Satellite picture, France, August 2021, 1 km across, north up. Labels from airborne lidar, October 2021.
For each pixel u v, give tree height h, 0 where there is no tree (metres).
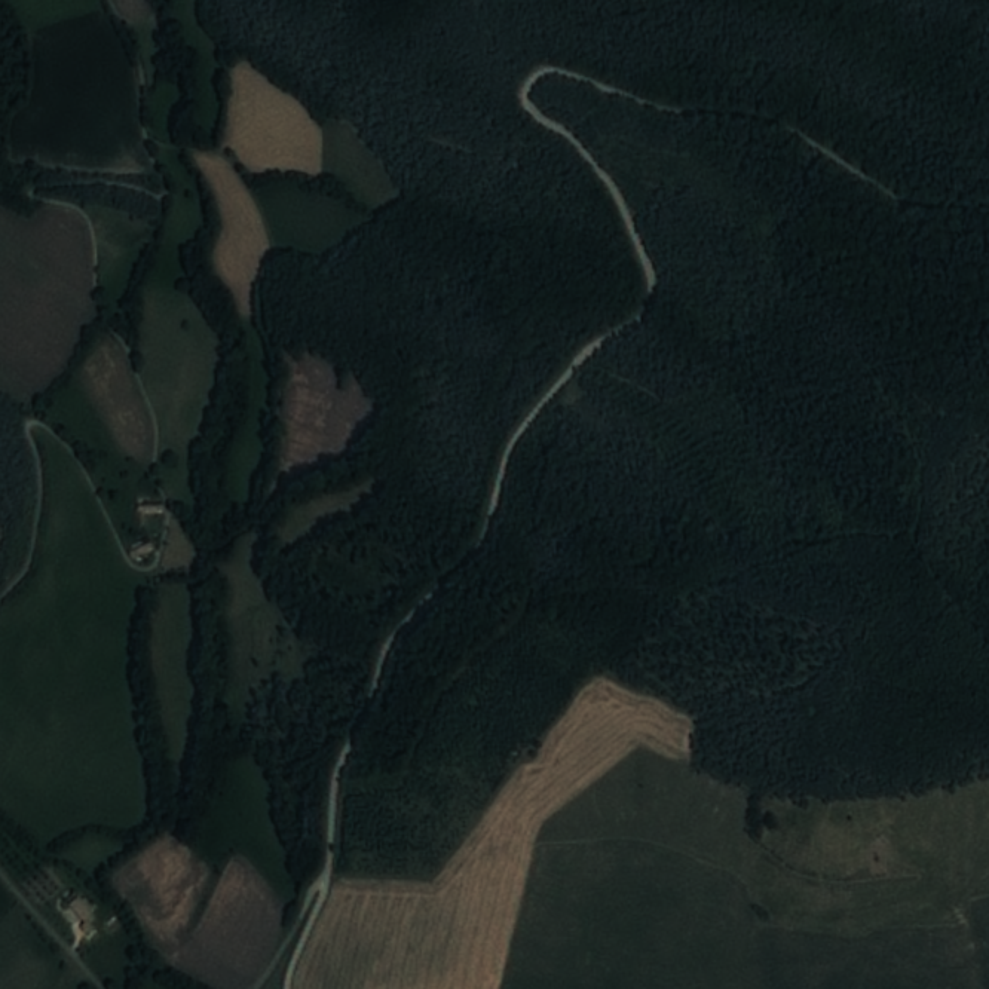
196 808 29
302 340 17
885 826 0
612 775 0
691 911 0
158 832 20
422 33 13
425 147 13
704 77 25
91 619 0
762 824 10
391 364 17
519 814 0
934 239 28
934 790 10
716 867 0
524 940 0
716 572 6
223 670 9
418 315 12
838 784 12
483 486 6
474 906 0
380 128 10
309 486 29
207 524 27
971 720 8
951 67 21
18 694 0
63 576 0
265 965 0
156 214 11
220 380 16
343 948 0
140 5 0
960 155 20
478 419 13
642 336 13
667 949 0
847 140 24
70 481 0
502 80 13
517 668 6
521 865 0
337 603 20
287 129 0
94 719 0
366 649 20
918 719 9
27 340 0
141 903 0
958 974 0
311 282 16
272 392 13
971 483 15
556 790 0
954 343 22
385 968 0
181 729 0
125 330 13
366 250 16
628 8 16
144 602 20
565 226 16
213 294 23
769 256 9
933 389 17
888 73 14
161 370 0
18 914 0
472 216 9
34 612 0
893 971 0
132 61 11
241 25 7
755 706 11
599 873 0
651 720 0
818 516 10
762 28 20
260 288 10
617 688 0
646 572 16
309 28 10
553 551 12
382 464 18
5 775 0
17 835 7
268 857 0
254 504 13
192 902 0
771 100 22
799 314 15
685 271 9
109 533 0
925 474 8
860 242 27
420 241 16
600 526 20
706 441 9
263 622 0
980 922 0
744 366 19
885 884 0
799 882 0
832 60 16
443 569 21
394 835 8
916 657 10
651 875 0
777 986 0
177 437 0
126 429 0
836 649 12
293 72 10
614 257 14
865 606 16
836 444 26
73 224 0
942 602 11
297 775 14
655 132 13
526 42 15
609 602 8
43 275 0
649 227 10
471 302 15
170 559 0
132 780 0
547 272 20
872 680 10
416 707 16
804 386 22
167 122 0
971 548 14
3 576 10
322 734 16
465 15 13
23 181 15
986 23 20
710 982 0
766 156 21
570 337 15
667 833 0
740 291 8
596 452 12
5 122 10
